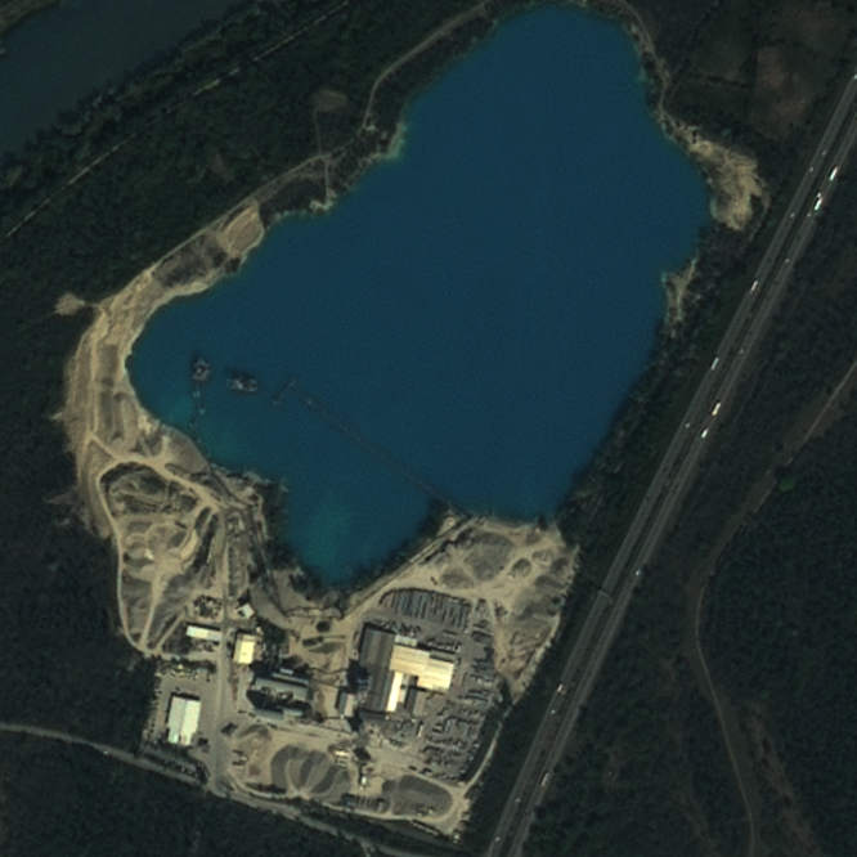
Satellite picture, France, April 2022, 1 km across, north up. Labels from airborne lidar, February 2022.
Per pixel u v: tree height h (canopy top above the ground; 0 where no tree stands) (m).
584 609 17
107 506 0
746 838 0
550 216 0
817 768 0
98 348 0
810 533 18
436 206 0
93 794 18
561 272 0
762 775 0
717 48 0
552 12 0
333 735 0
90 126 18
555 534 0
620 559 0
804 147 13
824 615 16
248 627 0
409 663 0
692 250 0
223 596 0
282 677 0
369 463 0
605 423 0
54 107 0
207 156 21
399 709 0
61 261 7
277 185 0
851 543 16
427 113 0
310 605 0
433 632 0
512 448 0
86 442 0
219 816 15
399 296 0
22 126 0
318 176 0
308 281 0
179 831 16
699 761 15
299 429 0
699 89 0
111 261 13
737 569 14
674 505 0
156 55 0
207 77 18
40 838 0
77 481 10
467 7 10
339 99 0
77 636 17
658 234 0
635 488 10
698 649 0
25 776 11
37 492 12
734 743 0
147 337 0
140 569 0
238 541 0
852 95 0
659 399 15
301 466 0
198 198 7
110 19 0
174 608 0
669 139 0
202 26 0
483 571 0
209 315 0
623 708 11
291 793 0
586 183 0
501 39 0
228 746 0
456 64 0
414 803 0
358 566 0
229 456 0
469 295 0
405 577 0
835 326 13
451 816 0
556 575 0
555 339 0
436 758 0
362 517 0
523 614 0
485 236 0
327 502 0
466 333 0
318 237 0
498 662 0
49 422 7
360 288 0
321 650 0
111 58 0
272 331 0
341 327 0
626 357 0
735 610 14
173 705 0
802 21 0
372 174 0
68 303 0
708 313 15
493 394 0
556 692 0
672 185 0
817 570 14
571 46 0
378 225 0
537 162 0
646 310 0
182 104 13
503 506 0
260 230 0
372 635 0
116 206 14
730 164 0
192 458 0
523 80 0
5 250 13
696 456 0
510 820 0
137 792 14
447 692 0
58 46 0
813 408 0
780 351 15
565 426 0
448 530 0
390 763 0
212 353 0
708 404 0
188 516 0
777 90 0
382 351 0
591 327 0
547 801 0
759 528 13
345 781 0
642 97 0
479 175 0
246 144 18
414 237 0
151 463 0
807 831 0
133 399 0
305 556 0
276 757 0
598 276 0
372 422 0
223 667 0
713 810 0
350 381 0
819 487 9
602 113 0
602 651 0
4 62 0
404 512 0
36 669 13
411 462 0
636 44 0
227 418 0
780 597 16
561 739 0
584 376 0
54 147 27
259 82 17
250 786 0
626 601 0
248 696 0
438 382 0
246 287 0
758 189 0
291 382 0
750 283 0
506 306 0
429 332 0
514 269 0
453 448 0
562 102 0
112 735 13
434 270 0
